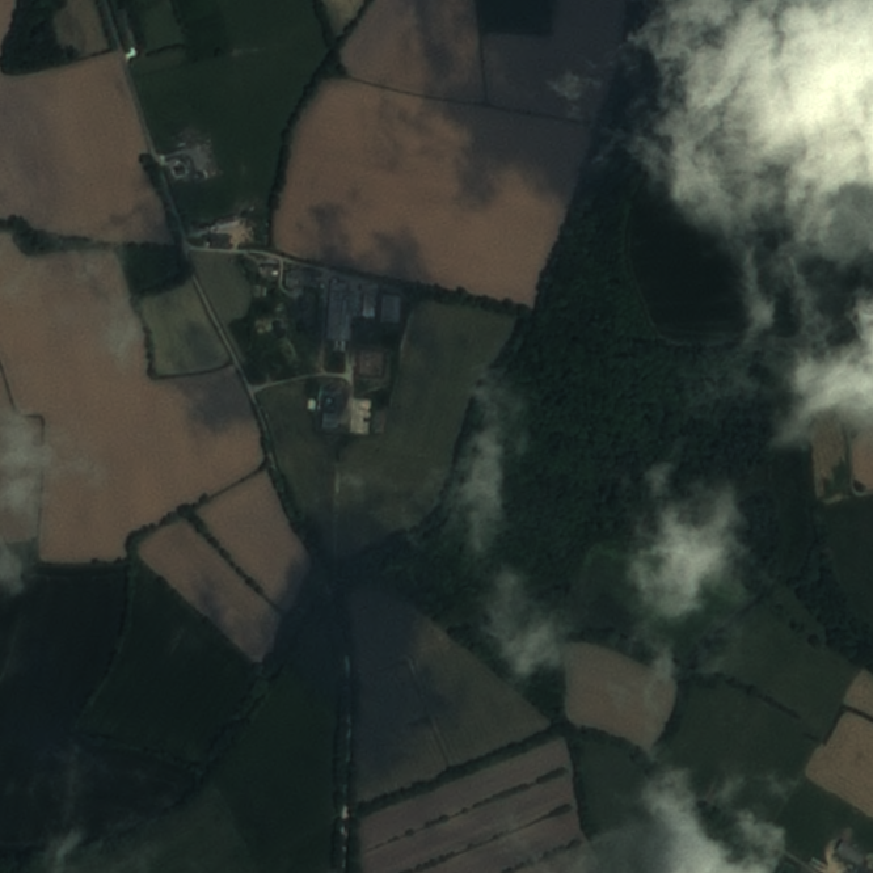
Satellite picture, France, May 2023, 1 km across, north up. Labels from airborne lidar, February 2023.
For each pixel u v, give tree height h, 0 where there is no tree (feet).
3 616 0
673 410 59
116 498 0
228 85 0
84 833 0
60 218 0
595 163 64
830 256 0
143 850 0
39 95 0
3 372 0
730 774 0
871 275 0
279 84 0
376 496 0
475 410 48
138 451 0
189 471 0
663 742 27
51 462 0
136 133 0
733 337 0
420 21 0
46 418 0
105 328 0
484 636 57
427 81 0
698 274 0
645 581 0
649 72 59
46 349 0
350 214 0
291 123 34
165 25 0
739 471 36
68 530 0
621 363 59
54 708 0
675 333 0
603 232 67
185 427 0
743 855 0
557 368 59
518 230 0
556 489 39
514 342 47
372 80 0
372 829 0
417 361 0
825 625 54
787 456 0
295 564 0
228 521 0
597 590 0
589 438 49
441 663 0
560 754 0
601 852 39
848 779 0
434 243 0
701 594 0
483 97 0
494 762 30
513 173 0
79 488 0
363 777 0
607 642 34
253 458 0
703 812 50
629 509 25
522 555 62
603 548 0
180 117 0
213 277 0
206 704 0
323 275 0
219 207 0
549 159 0
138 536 32
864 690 0
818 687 0
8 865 67
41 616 0
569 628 34
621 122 81
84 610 0
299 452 0
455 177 0
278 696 0
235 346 0
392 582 62
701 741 0
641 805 0
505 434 63
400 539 55
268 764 0
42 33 49
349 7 0
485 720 0
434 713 0
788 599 0
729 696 0
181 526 0
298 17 0
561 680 33
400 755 0
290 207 0
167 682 0
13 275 0
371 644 0
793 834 0
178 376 0
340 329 0
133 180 0
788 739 0
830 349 34
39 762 0
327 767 0
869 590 0
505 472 68
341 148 0
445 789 0
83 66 0
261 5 0
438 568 72
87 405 0
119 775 0
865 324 21
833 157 0
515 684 46
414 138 0
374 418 0
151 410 0
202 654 0
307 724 0
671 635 0
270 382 0
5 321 0
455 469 34
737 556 54
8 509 0
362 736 0
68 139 0
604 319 54
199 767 44
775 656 0
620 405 71
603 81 0
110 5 22
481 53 0
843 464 0
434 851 0
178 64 0
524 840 0
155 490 0
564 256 60
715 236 0
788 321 0
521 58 0
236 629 0
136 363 0
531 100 0
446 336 0
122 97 0
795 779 0
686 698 33
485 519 63
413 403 0
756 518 58
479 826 0
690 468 58
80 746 0
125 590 29
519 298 0
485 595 48
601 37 0
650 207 0
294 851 0
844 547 0
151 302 0
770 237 0
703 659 52
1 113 0
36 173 0
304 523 46
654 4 64
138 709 0
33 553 31
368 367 0
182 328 0
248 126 0
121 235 0
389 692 0
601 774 0
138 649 0
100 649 0
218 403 0
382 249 0
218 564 0
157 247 35
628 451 50
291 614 41
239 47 0
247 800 0
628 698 0
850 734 0
